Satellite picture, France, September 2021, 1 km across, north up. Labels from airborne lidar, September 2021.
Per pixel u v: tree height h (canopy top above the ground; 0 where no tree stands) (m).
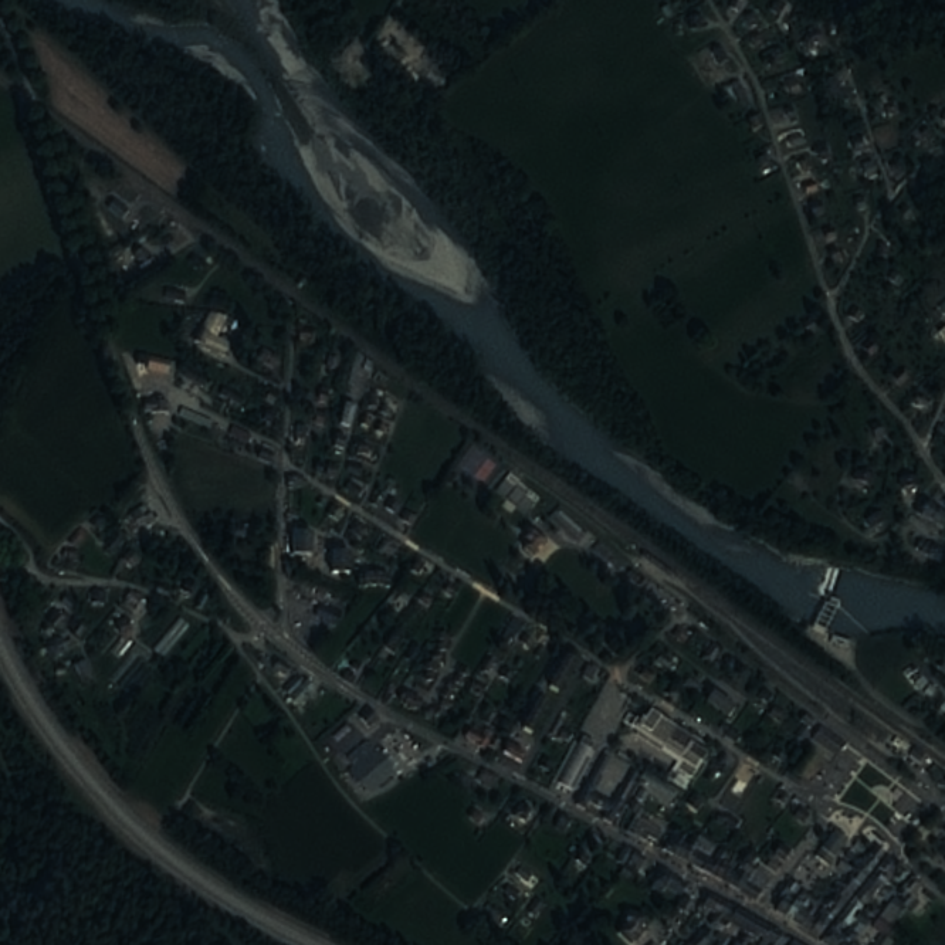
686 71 0
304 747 0
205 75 13
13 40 20
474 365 24
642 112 0
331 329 14
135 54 15
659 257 0
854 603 0
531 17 13
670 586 0
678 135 0
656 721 0
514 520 0
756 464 0
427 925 0
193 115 19
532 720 0
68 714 12
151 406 0
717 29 0
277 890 14
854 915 0
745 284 0
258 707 0
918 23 28
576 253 0
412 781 0
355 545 10
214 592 10
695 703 12
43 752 8
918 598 0
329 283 21
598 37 0
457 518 0
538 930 0
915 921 0
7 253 0
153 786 0
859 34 24
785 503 8
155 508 0
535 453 17
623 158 0
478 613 0
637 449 8
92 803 0
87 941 25
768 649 0
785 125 0
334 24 18
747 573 0
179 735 0
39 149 29
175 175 0
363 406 7
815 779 0
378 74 22
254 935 14
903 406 7
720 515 28
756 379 16
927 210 19
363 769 0
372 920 0
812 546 24
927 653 19
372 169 0
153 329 0
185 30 0
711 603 0
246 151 8
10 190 0
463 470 0
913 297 6
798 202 0
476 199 9
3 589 11
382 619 11
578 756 0
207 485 0
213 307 9
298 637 0
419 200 0
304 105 0
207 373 7
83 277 30
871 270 7
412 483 0
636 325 0
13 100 0
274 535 7
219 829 0
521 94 0
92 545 0
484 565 0
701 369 0
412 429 0
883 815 0
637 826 0
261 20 0
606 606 0
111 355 29
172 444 16
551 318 18
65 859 26
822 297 13
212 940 16
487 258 9
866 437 0
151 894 28
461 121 0
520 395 0
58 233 25
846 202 0
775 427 0
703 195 0
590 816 0
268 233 12
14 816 29
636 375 0
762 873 0
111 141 0
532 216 23
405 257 0
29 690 0
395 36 0
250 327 28
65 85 0
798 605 0
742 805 0
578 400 13
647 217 0
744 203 0
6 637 0
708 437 0
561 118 0
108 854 26
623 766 0
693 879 0
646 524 12
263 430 6
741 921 0
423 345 28
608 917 11
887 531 0
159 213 0
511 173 21
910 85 10
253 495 0
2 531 12
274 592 0
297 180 0
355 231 0
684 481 12
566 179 0
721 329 0
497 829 0
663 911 20
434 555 0
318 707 0
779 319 0
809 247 0
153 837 0
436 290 0
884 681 0
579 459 0
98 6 0
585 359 16
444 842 0
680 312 20
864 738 0
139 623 0
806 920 0
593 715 0
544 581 24
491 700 7
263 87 0
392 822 0
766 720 6
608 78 0
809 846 0
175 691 10
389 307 18
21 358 27
